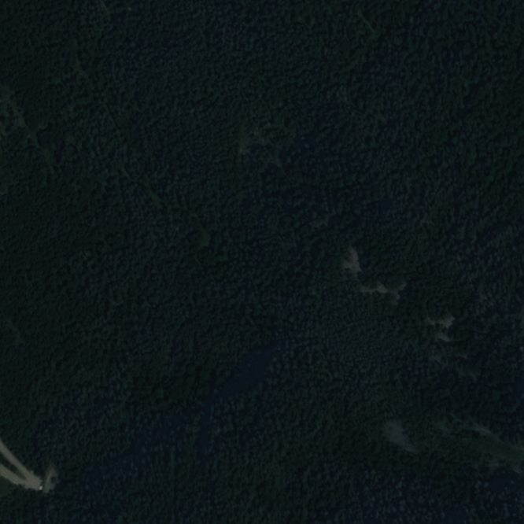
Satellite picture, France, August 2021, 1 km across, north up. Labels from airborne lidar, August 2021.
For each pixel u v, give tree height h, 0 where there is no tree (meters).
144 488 14
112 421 21
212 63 28
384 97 28
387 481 24
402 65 37
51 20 32
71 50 28
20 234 22
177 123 23
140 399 19
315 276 27
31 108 22
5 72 23
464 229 24
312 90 32
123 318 24
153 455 21
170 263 25
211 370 7
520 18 29
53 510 18
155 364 22
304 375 25
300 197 24
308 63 25
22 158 18
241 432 20
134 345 18
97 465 17
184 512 24
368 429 8
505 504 31
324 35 30
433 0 30
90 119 9
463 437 6
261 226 28
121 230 26
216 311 24
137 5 20
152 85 28
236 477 23
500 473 10
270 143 6
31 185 16
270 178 23
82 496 21
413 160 15
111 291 31
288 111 17
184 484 18
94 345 24
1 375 21
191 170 21
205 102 18
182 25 31
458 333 25
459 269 17
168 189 32
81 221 21
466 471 10
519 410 20
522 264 21
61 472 10
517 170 28
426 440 9
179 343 25
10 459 0
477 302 20
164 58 27
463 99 9
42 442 18
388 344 16
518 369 17
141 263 33
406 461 24
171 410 17
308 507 7
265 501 19
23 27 13
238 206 27
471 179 25
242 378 15
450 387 26
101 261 18
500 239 36
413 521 32
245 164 15
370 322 19
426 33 9
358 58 30
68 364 22
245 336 27
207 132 31
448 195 32
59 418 22
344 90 25
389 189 24
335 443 13
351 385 18
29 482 0
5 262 14
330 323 19
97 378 23
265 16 32
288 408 27
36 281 34
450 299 24
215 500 22
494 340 14
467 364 19
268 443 22
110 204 28
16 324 16
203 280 25
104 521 20
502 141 20
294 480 14
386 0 33
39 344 16
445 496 26
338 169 25
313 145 21
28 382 18
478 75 28
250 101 25
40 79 23
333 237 25
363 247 17
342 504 22
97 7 32
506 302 10
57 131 22
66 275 28
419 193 28
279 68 28
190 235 14
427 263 7
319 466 17
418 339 12
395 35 35
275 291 15
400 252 19
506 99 36
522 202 28
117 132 28
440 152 23
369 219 30
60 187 24
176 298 23
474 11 9
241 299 23
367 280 20
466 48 38
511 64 32
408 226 26
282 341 13
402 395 7
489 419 23
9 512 13
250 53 12
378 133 21
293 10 30
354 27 32
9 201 17
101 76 33
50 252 27
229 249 15
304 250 28
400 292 0
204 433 15
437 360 0
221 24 33
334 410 25
